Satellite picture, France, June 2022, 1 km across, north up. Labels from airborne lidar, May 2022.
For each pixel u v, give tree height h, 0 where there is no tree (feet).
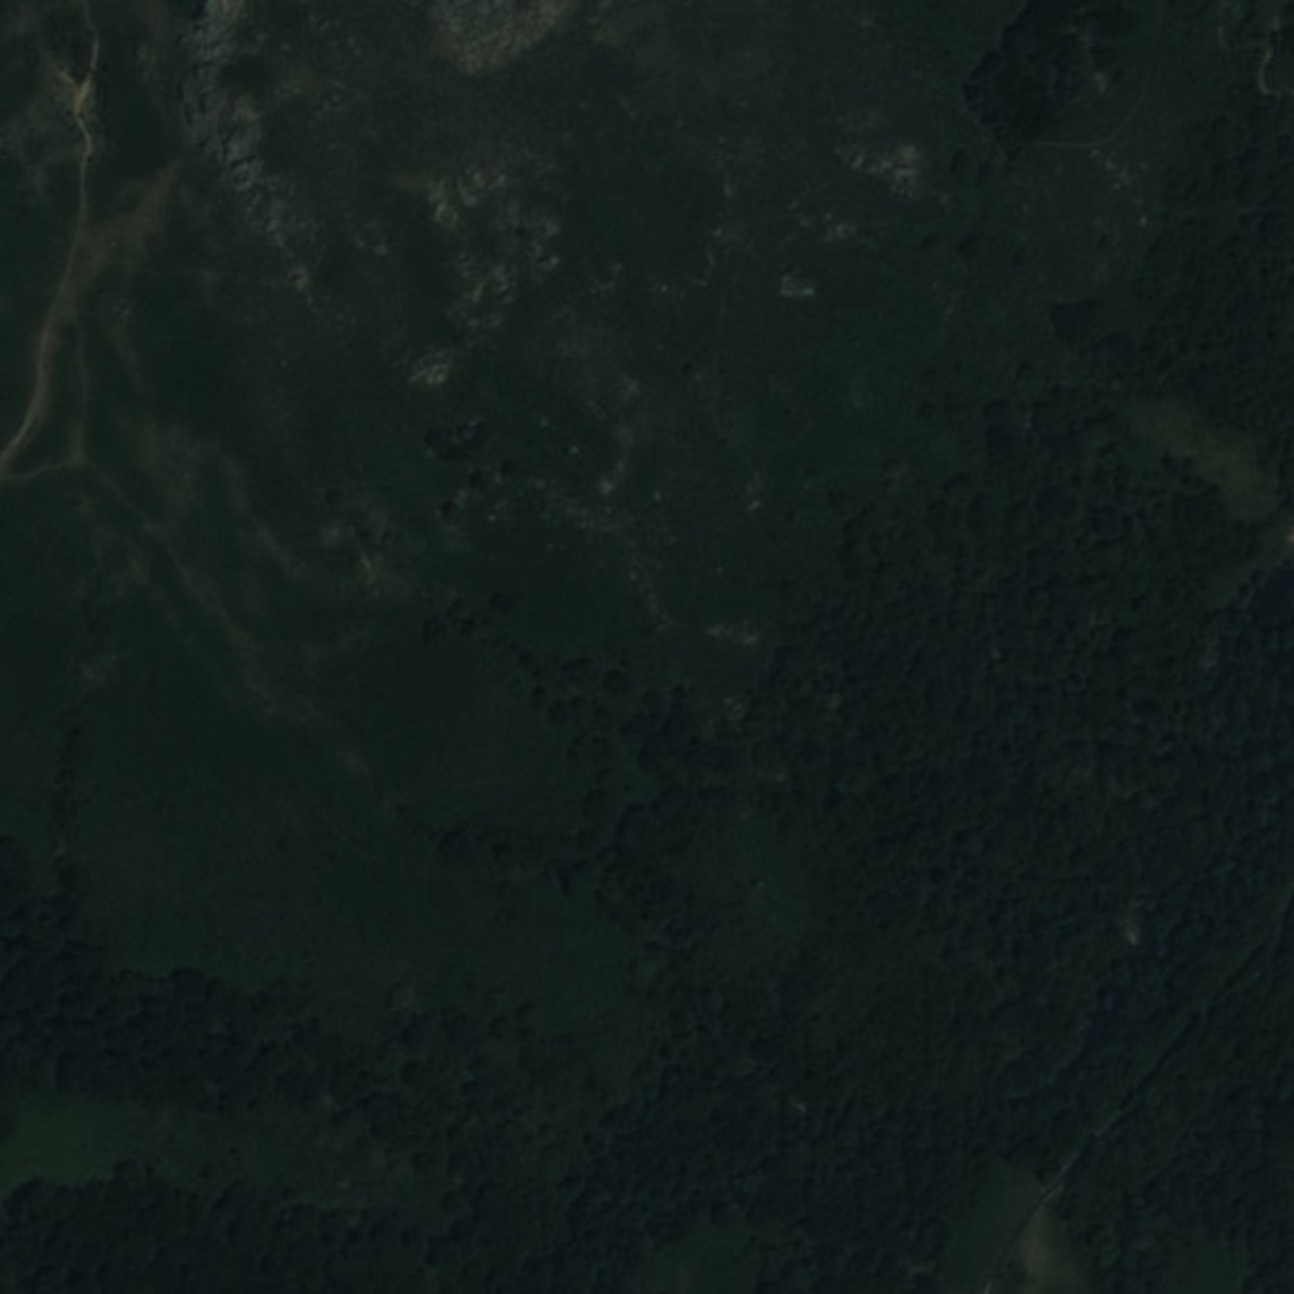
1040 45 52
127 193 0
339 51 0
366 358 0
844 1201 71
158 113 0
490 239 0
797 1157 78
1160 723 84
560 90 0
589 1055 23
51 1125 0
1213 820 70
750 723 55
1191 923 81
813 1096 67
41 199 0
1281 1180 40
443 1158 48
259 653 0
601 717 64
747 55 0
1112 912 94
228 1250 102
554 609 0
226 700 0
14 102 0
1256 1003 76
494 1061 71
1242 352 53
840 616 59
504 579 0
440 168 0
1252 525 24
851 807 104
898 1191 56
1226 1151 82
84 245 0
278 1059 75
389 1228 93
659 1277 0
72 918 85
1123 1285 85
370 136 0
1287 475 64
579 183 0
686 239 0
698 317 0
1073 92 79
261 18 0
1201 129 40
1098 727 62
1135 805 63
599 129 0
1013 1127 64
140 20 0
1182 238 28
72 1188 45
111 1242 83
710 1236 0
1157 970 81
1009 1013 65
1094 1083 80
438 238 0
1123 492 64
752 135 0
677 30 0
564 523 0
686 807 77
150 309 0
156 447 0
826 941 34
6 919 75
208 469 0
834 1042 40
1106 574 64
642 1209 60
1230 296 31
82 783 39
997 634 20
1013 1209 0
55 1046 77
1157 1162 105
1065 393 65
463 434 46
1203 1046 67
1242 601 31
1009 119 67
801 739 43
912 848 70
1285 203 39
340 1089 75
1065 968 44
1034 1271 0
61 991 37
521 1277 80
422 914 0
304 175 0
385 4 0
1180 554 54
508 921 21
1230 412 36
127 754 0
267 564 0
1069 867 38
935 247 52
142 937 0
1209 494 34
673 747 49
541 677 25
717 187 0
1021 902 78
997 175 44
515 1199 94
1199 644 52
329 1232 97
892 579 58
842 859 30
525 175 0
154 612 0
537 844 23
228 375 0
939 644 70
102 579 0
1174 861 95
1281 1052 72
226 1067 84
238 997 44
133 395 0
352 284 0
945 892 58
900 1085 33
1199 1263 0
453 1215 40
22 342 0
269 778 0
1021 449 30
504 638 23
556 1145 64
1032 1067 54
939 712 67
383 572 0
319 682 0
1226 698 60
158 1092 50
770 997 29
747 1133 69
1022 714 73
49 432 0
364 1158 31
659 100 0
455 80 0
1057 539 75
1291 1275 67
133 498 0
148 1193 71
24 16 0
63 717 28
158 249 0
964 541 24
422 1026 55
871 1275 56
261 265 0
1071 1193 50
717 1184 72
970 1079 64
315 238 0
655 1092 99
